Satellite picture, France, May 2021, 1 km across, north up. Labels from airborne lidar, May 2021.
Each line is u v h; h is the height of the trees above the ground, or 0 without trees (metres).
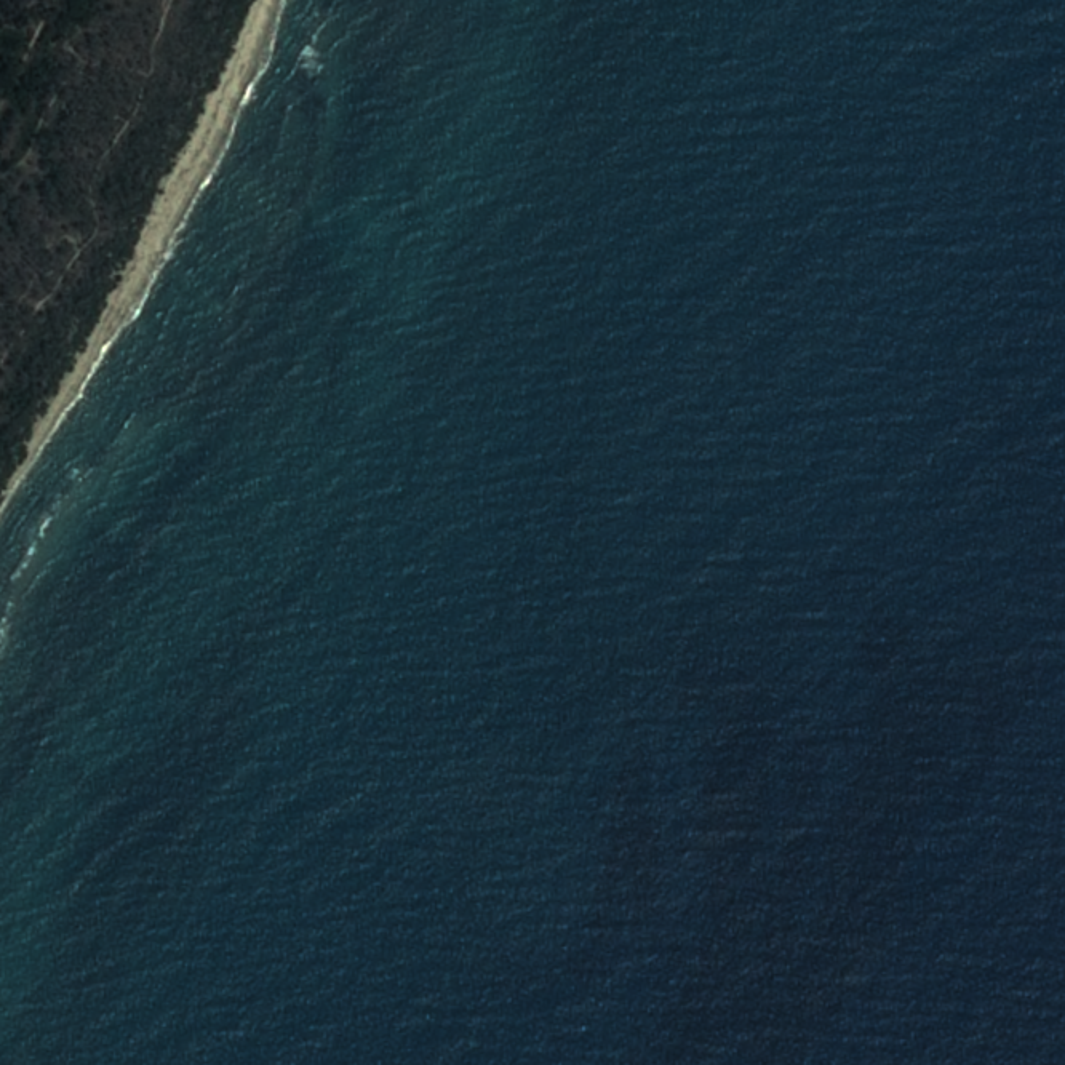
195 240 0
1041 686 0
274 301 0
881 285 0
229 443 0
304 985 0
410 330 0
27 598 0
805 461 0
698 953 0
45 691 0
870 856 0
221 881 0
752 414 0
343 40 0
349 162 0
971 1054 0
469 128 0
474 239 0
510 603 0
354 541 0
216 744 0
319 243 0
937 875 0
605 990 0
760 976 0
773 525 0
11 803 0
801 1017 0
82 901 0
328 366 0
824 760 0
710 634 0
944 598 0
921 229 0
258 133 0
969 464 0
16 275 17
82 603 0
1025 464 0
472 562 0
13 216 23
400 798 0
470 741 0
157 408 0
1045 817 0
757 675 0
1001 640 0
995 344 0
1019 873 0
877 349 0
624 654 0
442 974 0
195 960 0
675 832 0
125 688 0
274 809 0
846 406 0
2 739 0
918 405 0
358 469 0
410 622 0
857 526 0
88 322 6
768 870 0
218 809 0
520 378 0
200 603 0
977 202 0
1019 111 0
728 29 0
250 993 0
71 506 0
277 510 0
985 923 0
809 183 0
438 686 0
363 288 0
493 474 0
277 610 0
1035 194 0
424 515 0
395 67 0
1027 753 0
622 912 0
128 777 0
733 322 0
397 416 0
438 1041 0
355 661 0
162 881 0
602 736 0
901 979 0
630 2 0
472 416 0
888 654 0
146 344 0
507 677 0
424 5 0
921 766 0
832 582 0
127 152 14
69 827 0
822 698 0
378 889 0
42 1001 0
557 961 0
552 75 0
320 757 0
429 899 0
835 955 0
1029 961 0
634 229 0
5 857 0
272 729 0
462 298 0
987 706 0
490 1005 0
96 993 0
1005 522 0
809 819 0
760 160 0
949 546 0
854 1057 0
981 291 0
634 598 0
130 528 0
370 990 0
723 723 0
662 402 0
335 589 0
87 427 0
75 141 20
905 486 0
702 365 0
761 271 0
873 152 0
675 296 0
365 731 0
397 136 0
